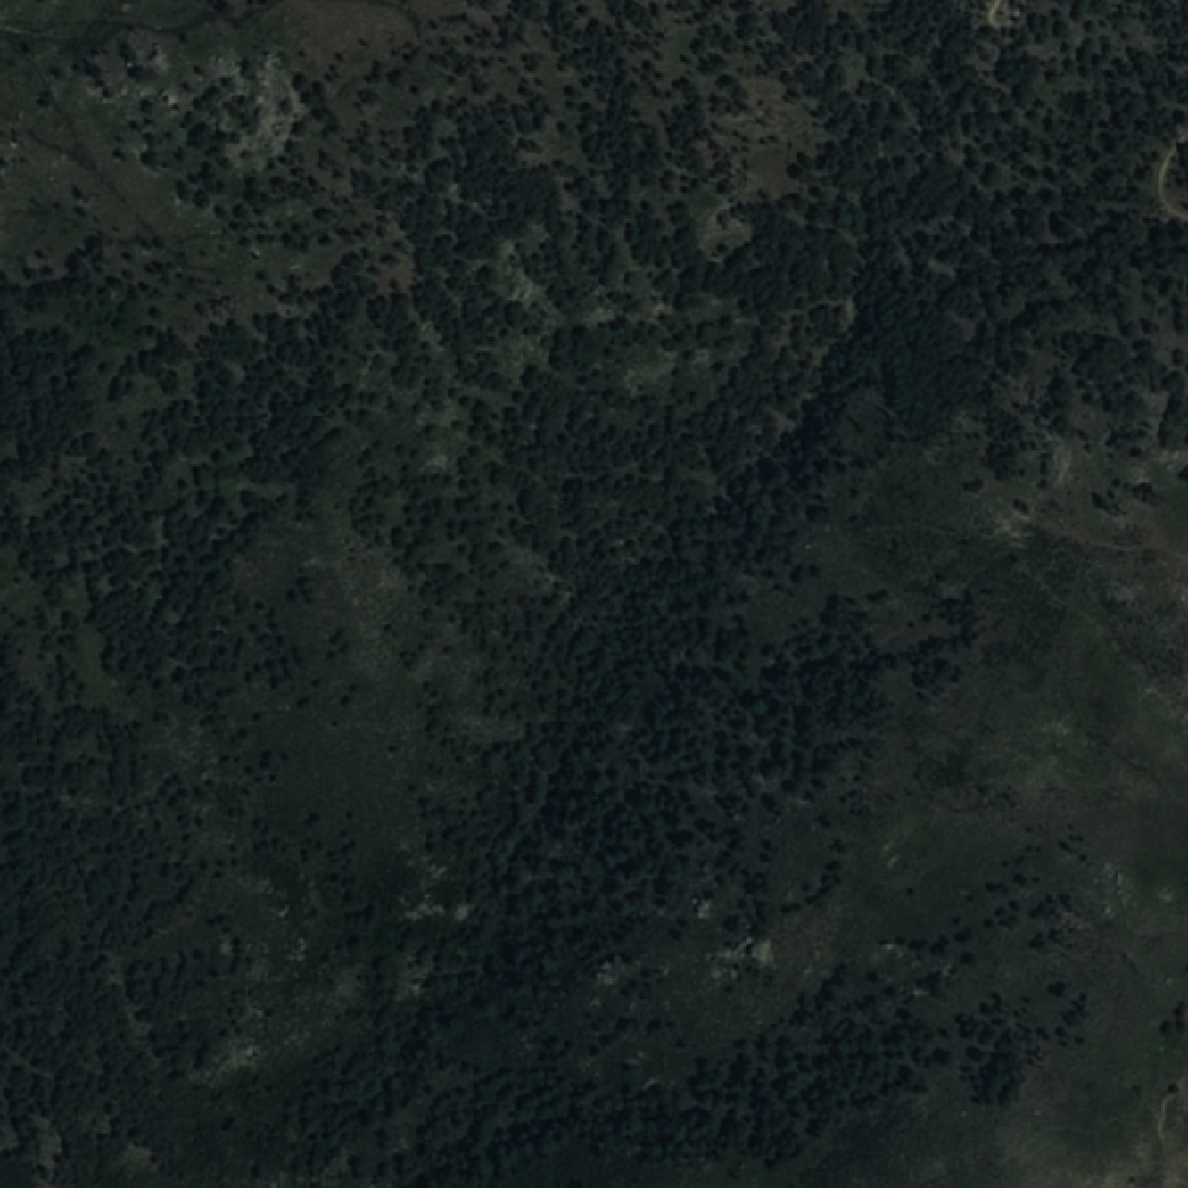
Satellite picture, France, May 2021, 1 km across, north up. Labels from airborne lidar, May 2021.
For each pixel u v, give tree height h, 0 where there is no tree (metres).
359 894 19
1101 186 10
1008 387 30
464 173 19
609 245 23
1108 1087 0
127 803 18
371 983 12
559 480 22
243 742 18
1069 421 25
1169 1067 0
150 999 23
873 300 20
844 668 25
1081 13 18
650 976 19
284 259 0
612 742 18
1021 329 21
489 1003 18
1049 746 0
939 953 13
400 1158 7
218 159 17
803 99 21
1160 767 0
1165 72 9
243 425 25
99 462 20
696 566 21
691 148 13
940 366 24
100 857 18
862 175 29
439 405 18
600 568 19
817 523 14
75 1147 22
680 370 15
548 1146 27
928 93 24
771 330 15
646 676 22
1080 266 35
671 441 20
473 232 26
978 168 22
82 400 16
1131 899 0
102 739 16
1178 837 0
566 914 19
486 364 19
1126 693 0
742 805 16
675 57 0
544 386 25
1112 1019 0
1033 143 29
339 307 23
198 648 21
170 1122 22
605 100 13
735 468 19
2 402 22
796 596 17
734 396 18
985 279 23
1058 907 17
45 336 15
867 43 29
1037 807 0
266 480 20
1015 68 25
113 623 23
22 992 24
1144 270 35
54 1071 17
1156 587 0
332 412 18
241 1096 7
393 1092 17
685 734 18
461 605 18
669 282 22
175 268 16
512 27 21
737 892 0
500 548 20
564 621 19
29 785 16
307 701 15
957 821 0
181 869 16
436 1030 16
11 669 17
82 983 24
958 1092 0
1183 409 30
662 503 20
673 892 24
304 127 23
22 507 14
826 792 25
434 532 25
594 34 22
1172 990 0
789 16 23
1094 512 0
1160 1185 0
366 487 15
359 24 0
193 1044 21
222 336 25
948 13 14
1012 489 0
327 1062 16
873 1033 21
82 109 0
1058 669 0
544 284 17
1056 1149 0
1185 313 17
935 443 23
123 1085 21
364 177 17
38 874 17
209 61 0
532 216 24
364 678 0
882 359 20
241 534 17
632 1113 25
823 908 23
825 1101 31
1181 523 0
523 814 30
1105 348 24
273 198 19
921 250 25
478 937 28
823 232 31
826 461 17
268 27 0
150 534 23
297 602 20
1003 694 0
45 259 23
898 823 0
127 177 0
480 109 20
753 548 21
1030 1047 23
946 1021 0
